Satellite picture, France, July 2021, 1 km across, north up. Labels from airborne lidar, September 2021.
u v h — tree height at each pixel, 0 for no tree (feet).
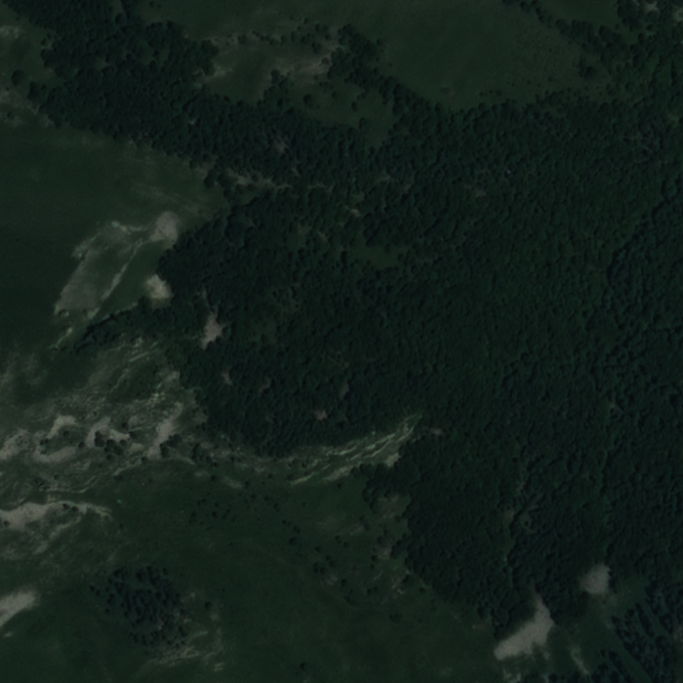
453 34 0
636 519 80
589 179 55
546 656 0
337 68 44
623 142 57
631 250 92
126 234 0
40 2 69
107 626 0
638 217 54
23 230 0
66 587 0
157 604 52
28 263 0
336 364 40
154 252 0
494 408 60
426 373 46
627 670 60
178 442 26
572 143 73
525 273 54
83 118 58
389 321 48
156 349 0
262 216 60
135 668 0
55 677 0
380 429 37
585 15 0
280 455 28
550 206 70
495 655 0
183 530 0
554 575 58
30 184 0
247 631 0
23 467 0
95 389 0
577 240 78
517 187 57
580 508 56
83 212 0
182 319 49
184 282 67
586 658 0
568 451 75
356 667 0
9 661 0
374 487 59
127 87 59
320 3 0
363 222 27
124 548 0
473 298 27
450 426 48
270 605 0
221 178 41
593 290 83
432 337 48
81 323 0
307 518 0
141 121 60
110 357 0
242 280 63
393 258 0
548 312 55
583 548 71
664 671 39
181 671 0
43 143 0
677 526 70
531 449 71
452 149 42
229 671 0
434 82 0
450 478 58
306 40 34
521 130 64
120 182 0
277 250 28
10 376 0
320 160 74
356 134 64
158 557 0
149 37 72
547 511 58
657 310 93
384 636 0
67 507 55
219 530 0
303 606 0
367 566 0
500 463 71
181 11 0
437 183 51
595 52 28
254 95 0
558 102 25
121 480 38
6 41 0
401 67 0
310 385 75
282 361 65
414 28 0
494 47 0
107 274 0
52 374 0
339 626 0
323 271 65
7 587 0
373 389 84
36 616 0
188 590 0
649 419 79
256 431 47
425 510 61
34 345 0
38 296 0
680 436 76
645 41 68
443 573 70
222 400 38
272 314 19
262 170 51
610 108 65
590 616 0
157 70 65
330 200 32
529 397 61
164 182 0
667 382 66
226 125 68
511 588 66
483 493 65
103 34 83
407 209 66
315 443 30
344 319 43
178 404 0
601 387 80
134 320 26
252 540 0
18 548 0
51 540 0
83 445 39
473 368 68
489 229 77
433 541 57
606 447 75
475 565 75
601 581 0
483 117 56
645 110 23
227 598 0
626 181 68
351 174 68
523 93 0
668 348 76
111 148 0
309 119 58
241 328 60
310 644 0
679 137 66
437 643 0
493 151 60
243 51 0
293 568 0
